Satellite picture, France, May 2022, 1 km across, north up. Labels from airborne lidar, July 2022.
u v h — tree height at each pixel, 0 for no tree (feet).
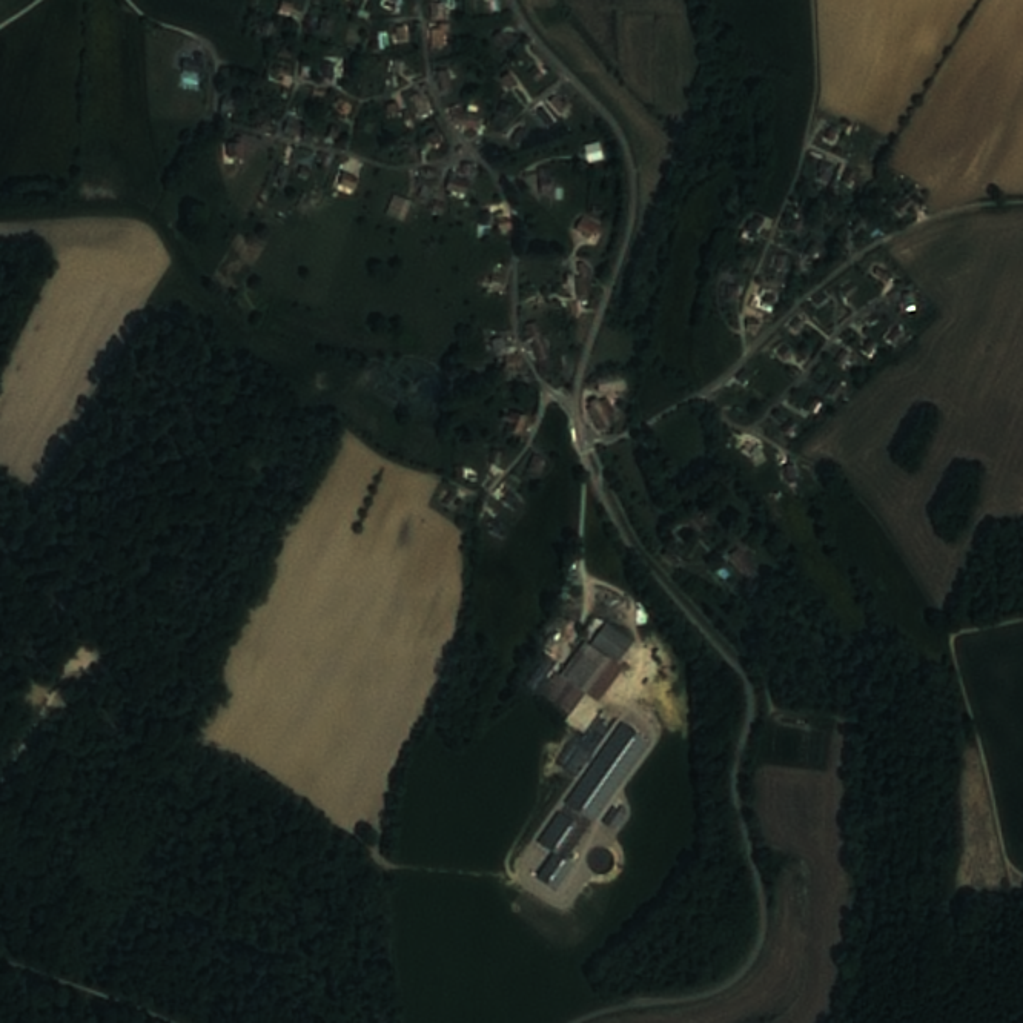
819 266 50
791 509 0
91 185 0
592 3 0
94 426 89
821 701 106
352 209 0
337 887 84
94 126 0
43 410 0
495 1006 0
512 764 0
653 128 0
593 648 0
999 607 46
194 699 65
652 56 0
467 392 81
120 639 69
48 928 94
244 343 0
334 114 19
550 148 36
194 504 99
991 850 0
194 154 45
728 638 43
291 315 0
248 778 89
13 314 98
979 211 0
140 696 82
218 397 111
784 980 0
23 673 94
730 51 25
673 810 0
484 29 0
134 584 80
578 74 0
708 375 0
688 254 0
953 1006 61
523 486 18
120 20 0
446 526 0
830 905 0
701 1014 0
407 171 0
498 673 54
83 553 82
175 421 93
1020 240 0
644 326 63
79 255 0
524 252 77
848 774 61
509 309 0
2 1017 78
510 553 0
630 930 70
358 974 81
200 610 89
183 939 115
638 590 45
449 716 74
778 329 0
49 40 0
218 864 76
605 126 50
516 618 0
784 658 79
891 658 93
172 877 106
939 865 87
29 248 84
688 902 105
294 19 31
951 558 0
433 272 0
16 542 97
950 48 22
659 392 0
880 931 64
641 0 0
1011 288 0
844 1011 29
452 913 0
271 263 0
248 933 73
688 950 44
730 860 60
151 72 0
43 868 63
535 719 0
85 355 0
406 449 0
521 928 0
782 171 0
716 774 101
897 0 0
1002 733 0
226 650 62
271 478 73
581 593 0
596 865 0
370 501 22
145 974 89
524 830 0
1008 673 0
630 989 65
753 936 45
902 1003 57
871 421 0
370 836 70
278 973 85
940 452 0
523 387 41
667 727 0
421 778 0
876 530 0
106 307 0
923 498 0
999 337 0
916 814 73
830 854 0
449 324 0
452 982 0
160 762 70
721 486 72
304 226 0
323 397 0
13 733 68
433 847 0
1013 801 0
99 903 58
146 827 52
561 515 0
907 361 0
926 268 0
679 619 70
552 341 0
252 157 0
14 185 60
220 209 0
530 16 0
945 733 72
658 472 65
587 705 0
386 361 50
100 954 80
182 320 86
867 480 0
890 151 37
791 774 0
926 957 80
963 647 0
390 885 59
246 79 50
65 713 59
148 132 0
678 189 56
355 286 0
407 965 0
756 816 68
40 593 88
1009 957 66
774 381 0
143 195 0
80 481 113
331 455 52
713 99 57
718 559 41
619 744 0
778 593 86
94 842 60
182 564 96
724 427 42
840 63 0
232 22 0
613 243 35
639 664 0
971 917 92
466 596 21
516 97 0
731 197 51
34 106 0
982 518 0
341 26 0
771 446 0
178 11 0
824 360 25
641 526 27
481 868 0
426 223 0
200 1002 82
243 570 81
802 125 0
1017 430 0
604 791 0
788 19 0
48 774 90
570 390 25
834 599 0
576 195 0
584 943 0
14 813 84
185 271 0
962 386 0
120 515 98
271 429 93
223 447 96
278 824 87
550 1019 0
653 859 0
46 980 18
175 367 90
